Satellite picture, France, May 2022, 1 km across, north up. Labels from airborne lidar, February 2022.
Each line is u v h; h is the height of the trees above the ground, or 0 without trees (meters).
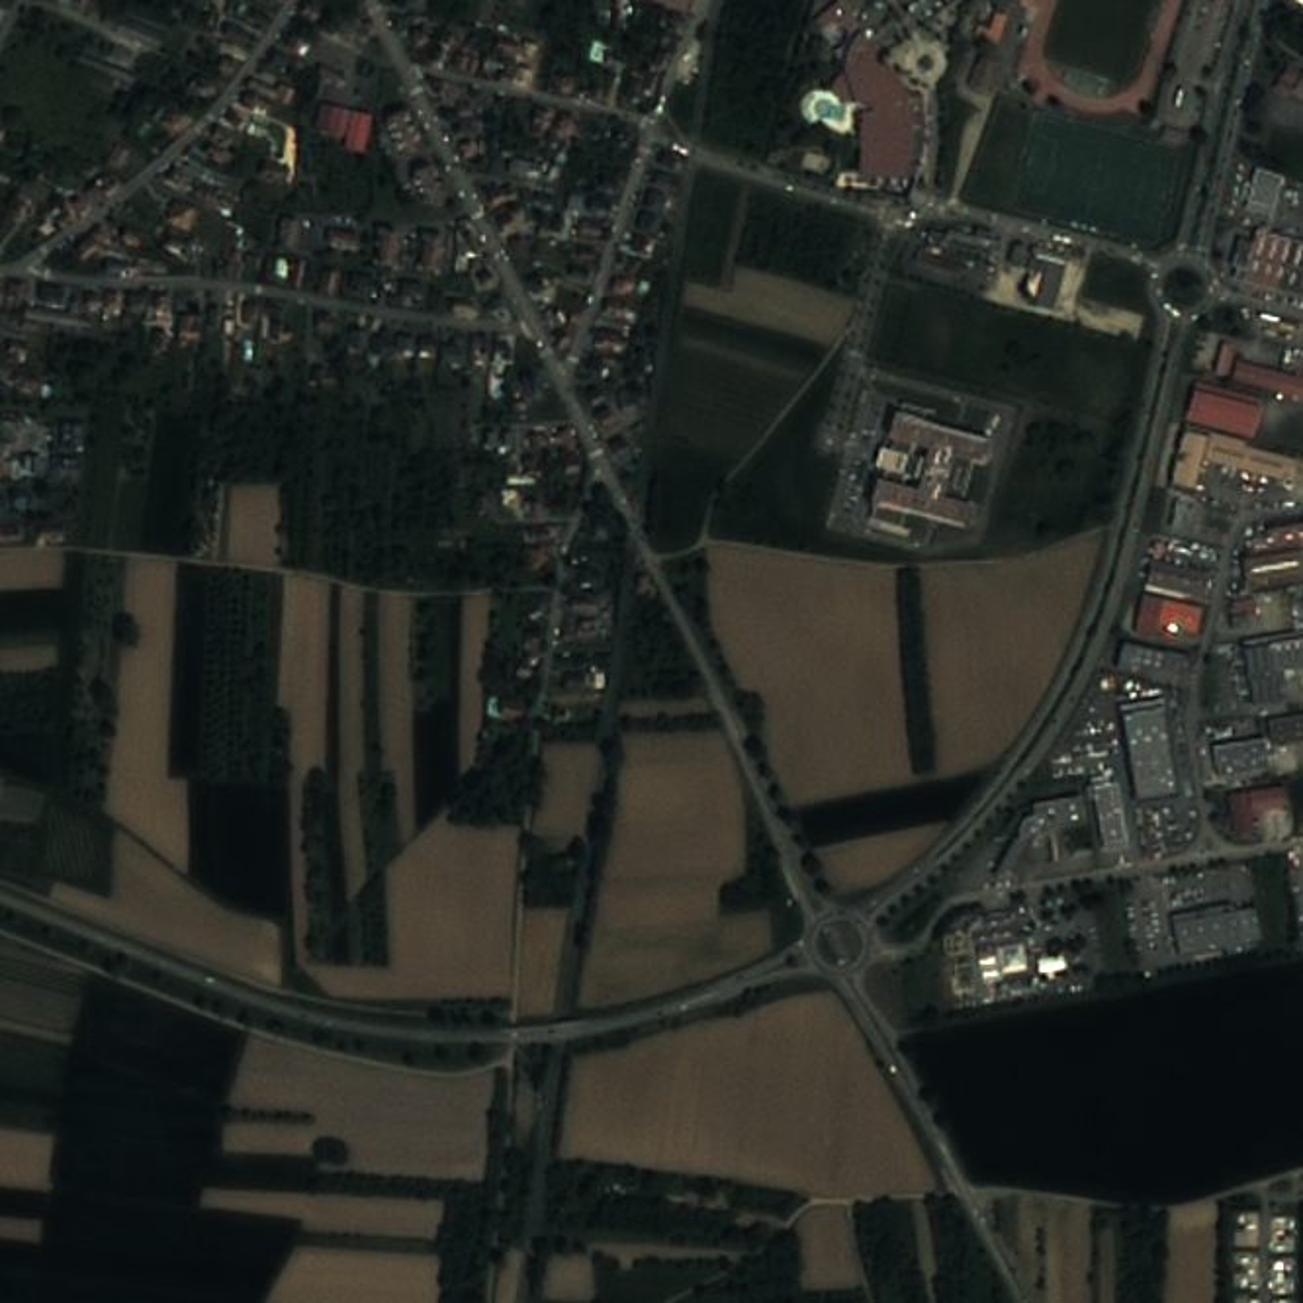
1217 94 0
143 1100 0
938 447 0
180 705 0
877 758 0
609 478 0
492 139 7
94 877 0
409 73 0
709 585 0
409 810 0
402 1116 0
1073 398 0
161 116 0
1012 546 0
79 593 0
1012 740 0
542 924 0
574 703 0
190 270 0
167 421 0
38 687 5
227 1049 0
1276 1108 0
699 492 0
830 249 6
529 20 0
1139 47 0
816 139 0
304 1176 0
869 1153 0
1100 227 0
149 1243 0
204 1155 0
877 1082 0
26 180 10
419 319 0
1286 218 0
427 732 0
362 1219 0
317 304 0
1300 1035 0
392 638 0
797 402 0
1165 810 0
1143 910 0
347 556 7
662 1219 6
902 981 0
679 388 0
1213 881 0
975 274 0
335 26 12
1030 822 0
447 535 0
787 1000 0
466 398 0
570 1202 10
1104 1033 0
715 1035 0
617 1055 0
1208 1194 0
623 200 0
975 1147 0
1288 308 0
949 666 0
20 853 0
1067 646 0
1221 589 0
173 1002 0
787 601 0
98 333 0
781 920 0
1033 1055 0
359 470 7
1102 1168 0
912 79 0
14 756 0
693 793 0
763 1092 0
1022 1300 0
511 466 0
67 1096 0
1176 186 0
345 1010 0
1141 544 0
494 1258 12
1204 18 0
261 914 0
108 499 0
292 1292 0
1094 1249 0
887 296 0
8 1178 0
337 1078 0
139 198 0
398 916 0
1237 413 0
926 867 0
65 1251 0
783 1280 9
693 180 0
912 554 0
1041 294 0
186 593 0
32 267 0
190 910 0
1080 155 0
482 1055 14
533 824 0
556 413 0
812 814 0
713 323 0
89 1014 0
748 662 0
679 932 0
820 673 0
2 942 0
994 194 0
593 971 0
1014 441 0
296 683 0
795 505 0
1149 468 0
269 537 0
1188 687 0
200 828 0
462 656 0
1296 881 0
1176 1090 0
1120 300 0
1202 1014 0
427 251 0
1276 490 0
